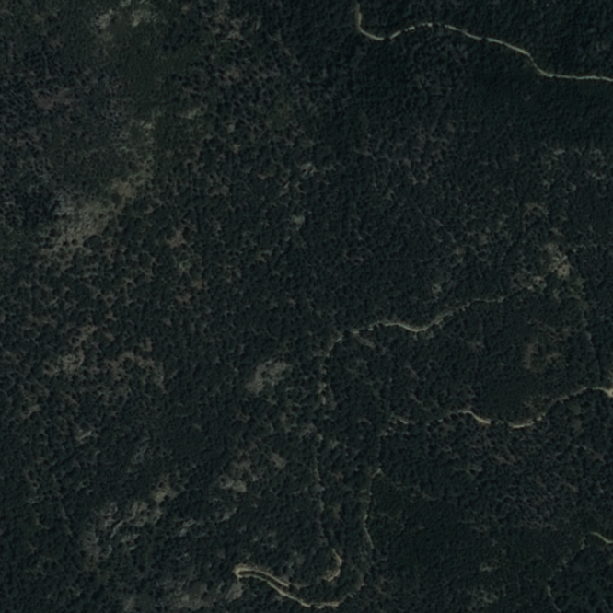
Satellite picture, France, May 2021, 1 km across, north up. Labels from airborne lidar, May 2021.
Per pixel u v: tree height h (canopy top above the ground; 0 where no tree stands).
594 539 22
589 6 18
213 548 18
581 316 20
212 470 18
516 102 10
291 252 27
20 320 15
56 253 8
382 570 29
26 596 24
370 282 30
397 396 22
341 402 22
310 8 13
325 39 15
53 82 12
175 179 12
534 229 17
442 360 28
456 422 31
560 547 13
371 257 22
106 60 7
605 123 15
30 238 12
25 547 27
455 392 28
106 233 15
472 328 27
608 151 14
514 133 16
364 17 7
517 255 21
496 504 26
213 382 25
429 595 15
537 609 20
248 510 13
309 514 27
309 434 23
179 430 17
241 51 25
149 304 24
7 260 20
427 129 14
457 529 17
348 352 17
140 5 7
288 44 20
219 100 7
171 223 21
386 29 19
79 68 14
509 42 10
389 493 10
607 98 11
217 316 26
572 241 23
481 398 25
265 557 14
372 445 27
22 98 11
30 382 20
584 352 21
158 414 17
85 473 22
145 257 21
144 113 7
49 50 14
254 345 27
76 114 9
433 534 16
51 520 31
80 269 20
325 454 24
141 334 19
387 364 14
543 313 27
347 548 24
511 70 13
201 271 20
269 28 15
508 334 24
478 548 13
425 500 9
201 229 22
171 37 9
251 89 5
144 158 7
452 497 24
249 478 12
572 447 24
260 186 19
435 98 21
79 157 11
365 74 11
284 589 9
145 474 19
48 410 23
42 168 9
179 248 8
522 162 14
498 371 18
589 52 24
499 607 12
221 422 24
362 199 21
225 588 14
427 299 17
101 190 10
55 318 21
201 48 11
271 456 9
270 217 22
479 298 22
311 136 16
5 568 27
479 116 10
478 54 7
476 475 31
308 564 16
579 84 9
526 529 8
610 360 22
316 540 24
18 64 12
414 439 29
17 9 8
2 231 11
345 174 9
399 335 20
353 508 29
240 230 17
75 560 36
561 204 23
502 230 8
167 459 20
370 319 25
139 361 6
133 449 23
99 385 9
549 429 30
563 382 31
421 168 18
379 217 17
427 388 20
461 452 28
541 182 21
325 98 21
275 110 8
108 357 20
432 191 16
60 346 17
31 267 17
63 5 11
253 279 28
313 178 21
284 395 19
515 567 13
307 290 23
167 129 15
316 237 27
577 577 25
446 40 20
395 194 11
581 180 20
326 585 22
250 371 20
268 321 25
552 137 12
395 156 16
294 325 26
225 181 19
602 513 8
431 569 19
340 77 20
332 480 24
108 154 8
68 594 17
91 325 16
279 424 21
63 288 10
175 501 15
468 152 8
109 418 21
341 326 23
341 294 27
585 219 20
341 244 23
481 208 16
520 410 23
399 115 18
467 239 26
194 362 24
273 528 15
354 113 13
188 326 26
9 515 29
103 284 15
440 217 16
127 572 17
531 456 21
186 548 6
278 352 7
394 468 24
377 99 17
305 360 26
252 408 24
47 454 24
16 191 17
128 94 9
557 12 25
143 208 22
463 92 14
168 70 13
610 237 22
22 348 21
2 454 23
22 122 13
